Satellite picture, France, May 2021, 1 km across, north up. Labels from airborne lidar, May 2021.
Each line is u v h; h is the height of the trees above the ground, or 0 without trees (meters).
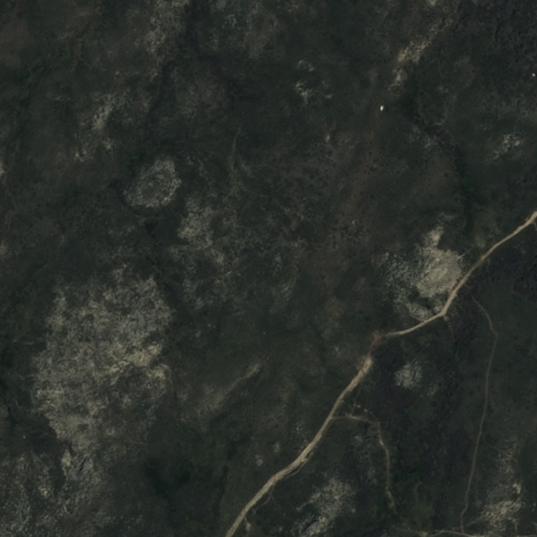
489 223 0
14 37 0
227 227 0
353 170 0
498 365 0
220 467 0
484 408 0
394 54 0
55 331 0
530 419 0
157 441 0
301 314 0
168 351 0
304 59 0
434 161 0
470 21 0
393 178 0
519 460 0
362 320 0
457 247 0
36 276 0
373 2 0
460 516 0
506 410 0
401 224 0
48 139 0
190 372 0
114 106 0
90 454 0
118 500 0
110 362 0
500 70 0
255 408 0
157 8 0
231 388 0
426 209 0
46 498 0
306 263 0
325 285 0
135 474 0
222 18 0
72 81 0
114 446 0
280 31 0
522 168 0
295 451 0
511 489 0
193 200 0
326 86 0
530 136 0
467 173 0
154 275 0
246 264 0
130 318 0
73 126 0
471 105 0
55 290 0
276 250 0
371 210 0
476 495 0
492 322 0
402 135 0
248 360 0
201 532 0
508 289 0
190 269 0
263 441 0
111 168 0
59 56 0
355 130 0
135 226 0
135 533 0
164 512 0
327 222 0
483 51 0
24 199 0
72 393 0
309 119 0
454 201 0
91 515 0
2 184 0
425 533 0
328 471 0
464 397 0
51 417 0
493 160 0
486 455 0
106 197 0
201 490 0
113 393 0
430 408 0
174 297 0
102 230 0
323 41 0
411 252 0
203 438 0
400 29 0
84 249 0
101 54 0
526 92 0
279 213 0
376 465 0
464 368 0
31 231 0
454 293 0
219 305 0
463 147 0
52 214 0
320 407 0
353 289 0
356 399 0
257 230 0
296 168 0
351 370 0
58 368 0
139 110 0
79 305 0
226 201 0
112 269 0
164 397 0
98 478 0
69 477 0
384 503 0
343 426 0
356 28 0
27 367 0
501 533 0
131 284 0
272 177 0
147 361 0
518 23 0
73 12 0
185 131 0
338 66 0
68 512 0
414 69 0
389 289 0
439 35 0
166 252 0
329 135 0
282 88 0
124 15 0
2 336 0
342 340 0
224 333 0
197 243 0
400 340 0
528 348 0
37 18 0
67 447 0
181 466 0
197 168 0
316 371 0
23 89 0
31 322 0
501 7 7
